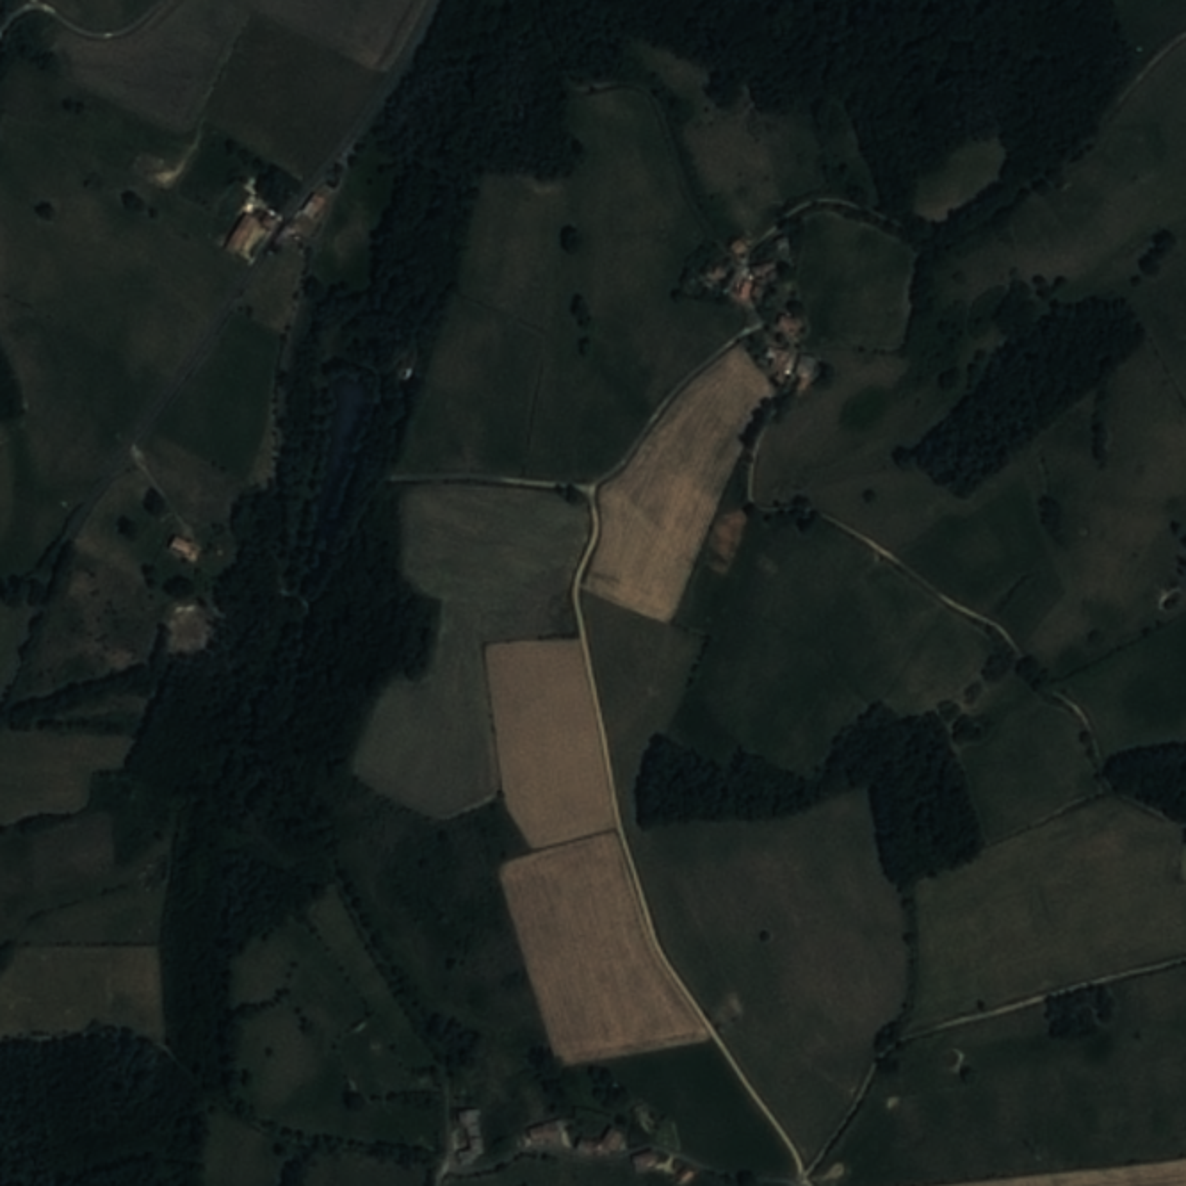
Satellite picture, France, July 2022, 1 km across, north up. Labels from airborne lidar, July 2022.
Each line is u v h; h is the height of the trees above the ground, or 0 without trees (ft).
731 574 0
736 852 0
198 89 0
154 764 40
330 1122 0
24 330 0
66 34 0
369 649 61
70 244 0
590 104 0
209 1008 34
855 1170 0
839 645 0
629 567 0
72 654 0
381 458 56
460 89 63
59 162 0
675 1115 0
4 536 0
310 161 0
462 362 0
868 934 0
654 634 0
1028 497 0
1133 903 0
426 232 91
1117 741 0
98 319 0
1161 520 0
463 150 53
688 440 0
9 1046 39
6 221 0
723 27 87
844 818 0
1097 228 0
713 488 0
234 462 0
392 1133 0
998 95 70
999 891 0
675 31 61
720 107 29
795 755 0
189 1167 55
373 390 57
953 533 0
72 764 0
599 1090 29
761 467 0
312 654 62
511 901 0
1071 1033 52
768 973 0
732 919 0
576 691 0
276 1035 0
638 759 0
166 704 50
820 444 0
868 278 0
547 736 0
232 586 55
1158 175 0
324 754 55
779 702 0
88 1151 20
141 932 0
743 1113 0
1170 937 0
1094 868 0
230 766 56
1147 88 0
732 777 52
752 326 0
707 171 0
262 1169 0
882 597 0
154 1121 28
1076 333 32
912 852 33
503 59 72
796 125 0
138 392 0
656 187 0
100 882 0
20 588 67
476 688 0
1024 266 0
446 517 0
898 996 0
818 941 0
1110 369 38
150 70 0
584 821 0
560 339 0
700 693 0
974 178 0
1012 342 19
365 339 65
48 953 0
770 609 0
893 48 84
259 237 0
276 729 64
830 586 0
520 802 0
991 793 0
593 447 0
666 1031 0
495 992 0
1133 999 0
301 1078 0
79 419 0
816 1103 0
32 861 0
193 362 0
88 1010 0
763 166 0
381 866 0
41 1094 53
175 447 0
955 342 36
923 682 0
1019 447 28
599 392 0
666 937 0
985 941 0
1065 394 41
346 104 0
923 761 51
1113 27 39
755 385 0
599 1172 0
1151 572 0
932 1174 0
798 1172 0
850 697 0
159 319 0
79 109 39
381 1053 0
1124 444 0
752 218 0
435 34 47
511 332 0
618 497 0
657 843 0
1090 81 47
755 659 0
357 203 0
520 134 55
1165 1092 0
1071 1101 0
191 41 0
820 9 91
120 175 0
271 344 0
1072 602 0
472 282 0
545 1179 0
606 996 0
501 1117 0
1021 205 28
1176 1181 0
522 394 0
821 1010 0
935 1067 0
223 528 24
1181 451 0
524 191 0
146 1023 0
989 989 0
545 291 0
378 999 0
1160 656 0
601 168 0
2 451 0
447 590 0
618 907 0
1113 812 0
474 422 0
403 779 0
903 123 50
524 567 0
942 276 0
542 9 49
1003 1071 0
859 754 40
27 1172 38
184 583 48
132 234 0
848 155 0
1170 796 57
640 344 0
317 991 0
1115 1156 0
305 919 23
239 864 30
